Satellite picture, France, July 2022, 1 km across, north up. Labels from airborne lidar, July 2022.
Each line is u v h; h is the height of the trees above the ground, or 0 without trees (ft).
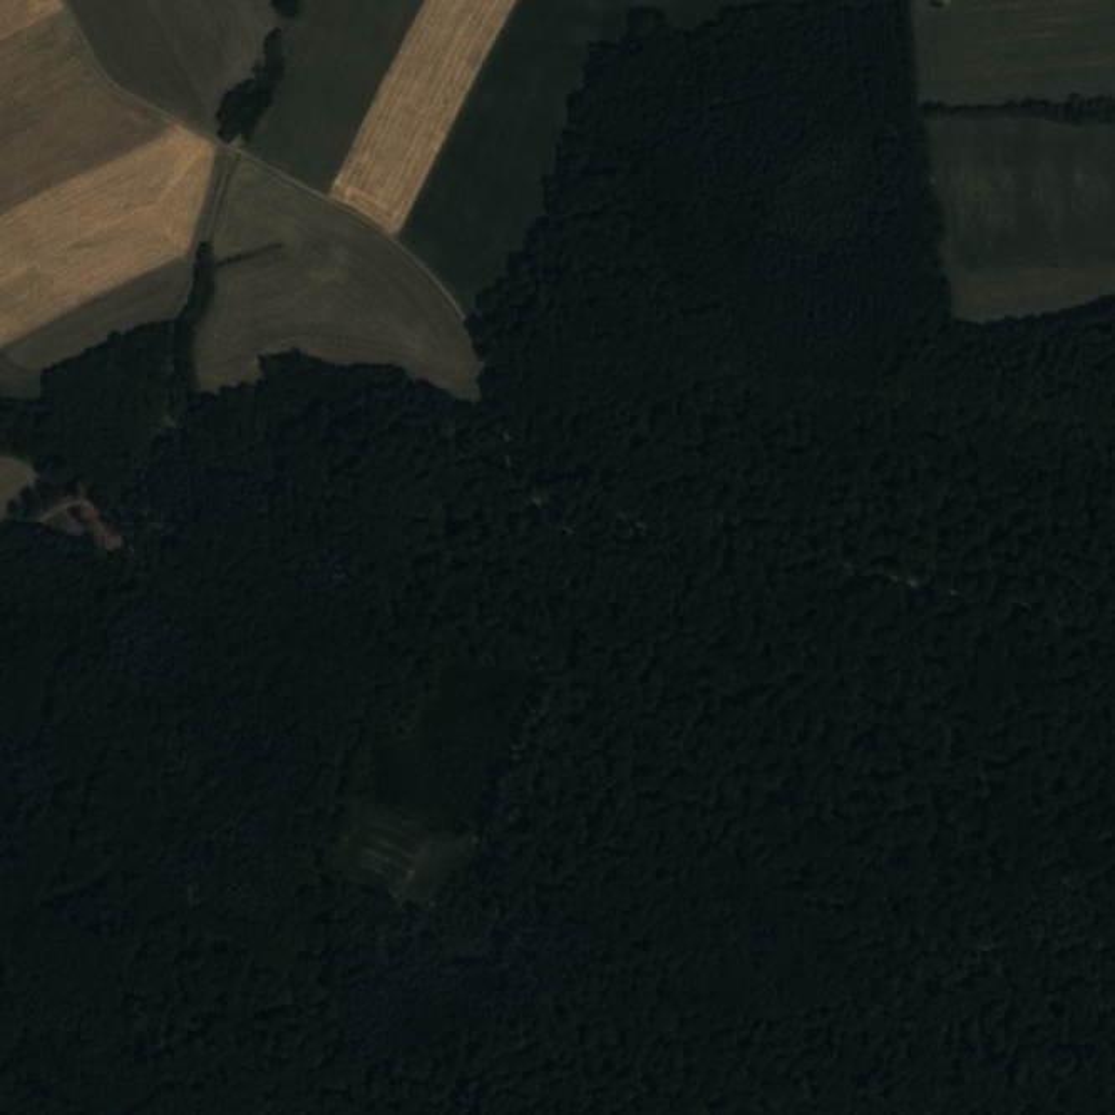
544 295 96
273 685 64
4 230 0
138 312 0
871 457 75
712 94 58
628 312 76
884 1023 99
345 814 102
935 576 94
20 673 51
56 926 108
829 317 52
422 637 108
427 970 110
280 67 41
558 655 103
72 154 0
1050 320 44
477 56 0
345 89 0
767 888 89
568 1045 88
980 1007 92
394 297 0
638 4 0
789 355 42
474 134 0
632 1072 108
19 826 86
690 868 104
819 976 77
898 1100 79
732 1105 92
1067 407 44
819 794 99
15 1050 42
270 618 66
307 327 0
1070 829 100
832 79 64
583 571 89
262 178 0
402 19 0
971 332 64
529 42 0
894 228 68
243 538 85
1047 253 0
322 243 0
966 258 0
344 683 84
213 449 55
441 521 59
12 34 0
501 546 104
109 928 83
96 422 50
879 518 91
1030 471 94
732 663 109
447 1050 91
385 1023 95
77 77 0
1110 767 86
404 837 0
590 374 45
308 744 63
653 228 45
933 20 0
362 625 69
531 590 90
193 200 0
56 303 0
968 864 102
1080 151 0
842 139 48
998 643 83
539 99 0
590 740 103
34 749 60
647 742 93
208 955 88
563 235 89
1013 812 105
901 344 56
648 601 96
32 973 107
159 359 51
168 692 66
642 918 94
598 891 100
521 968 94
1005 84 0
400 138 0
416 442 91
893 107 66
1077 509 107
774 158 70
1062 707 99
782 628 100
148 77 0
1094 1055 94
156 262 0
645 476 79
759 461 86
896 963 88
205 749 83
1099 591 94
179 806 54
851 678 106
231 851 46
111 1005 83
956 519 104
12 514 29
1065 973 94
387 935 102
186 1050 81
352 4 0
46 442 75
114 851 80
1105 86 0
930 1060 113
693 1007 93
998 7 0
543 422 87
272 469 46
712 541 79
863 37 69
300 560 63
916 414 74
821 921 83
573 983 88
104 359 46
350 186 0
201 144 0
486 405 40
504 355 100
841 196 31
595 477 81
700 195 53
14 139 0
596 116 57
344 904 110
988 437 84
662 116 53
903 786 99
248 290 0
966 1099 48
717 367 24
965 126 0
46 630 45
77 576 30
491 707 26
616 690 112
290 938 83
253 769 69
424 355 0
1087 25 0
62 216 0
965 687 78
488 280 0
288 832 67
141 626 77
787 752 98
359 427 110
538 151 0
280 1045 78
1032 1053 123
